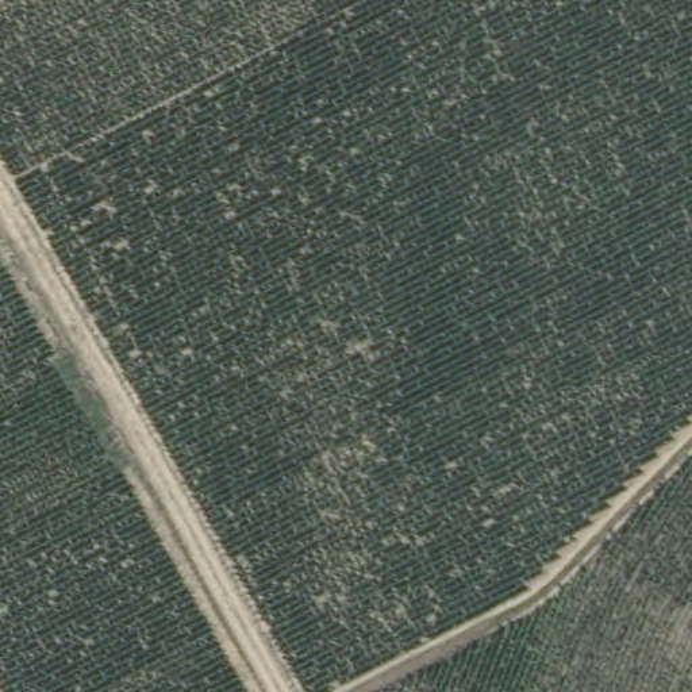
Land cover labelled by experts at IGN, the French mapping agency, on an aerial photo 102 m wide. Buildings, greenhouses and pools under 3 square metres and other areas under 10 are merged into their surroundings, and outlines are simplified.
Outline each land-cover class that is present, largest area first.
<instances>
[{"label":"vineyard","instance_id":"1","mask_svg":"<svg viewBox=\"0 0 692 692\"><path fill-rule=\"evenodd\" d=\"M14 173L16 187L32 208L38 224L49 230L54 254L73 278L84 305L95 314V322L105 335L124 381H130L138 392L141 405L151 419L154 430L159 433L162 446L173 457L184 487L192 492L195 503L200 505L211 530L216 533L222 549L232 560L235 578L246 587L260 616L270 624V635L278 643L287 665L303 684V692H330L332 684L357 678L373 670L376 665L419 646L424 638H435L495 608L497 603L524 592V587L543 573L549 562L560 557V549L573 541L578 530L589 527L592 516L606 511L608 503L627 487V481H633L641 473V468L651 462L657 451L676 435V430L687 427L692 419V0H0V173ZM135 451L124 430L114 427L108 403L103 392L95 387L92 373L78 365V354L73 349L49 346L14 278L0 270V692H246L235 668L224 657L211 624L197 608L184 578L178 576L170 554L165 551L159 535L154 533L141 500L124 478L127 460ZM376 692H692V457L684 460L673 478L660 481L654 487L651 500L633 508L630 519L611 538L603 541L597 557L587 562L578 570V576L560 589L557 597L546 600L530 616L503 624L492 635L473 638L454 654L441 657L419 670H411Z\"/></svg>","mask_w":692,"mask_h":692},{"label":"pervious surface","instance_id":"2","mask_svg":"<svg viewBox=\"0 0 692 692\"><path fill-rule=\"evenodd\" d=\"M0 270L14 278L49 346L73 349L78 354V365L92 373L95 387L103 392L108 403L114 427L124 430L135 451L127 460L124 478L141 500L154 533L159 535L165 551L170 554L178 576L184 578L197 608L211 624L224 657L235 668L246 692H303V684L287 665L278 643L270 635V624L260 616L246 587L235 578L232 560L222 549L216 533L211 530L200 505L195 503L192 492L184 487L173 457L162 446L159 433L154 430L151 419L141 405L138 392L130 381H124L105 335L95 322V314L84 305L73 278L54 254L49 230L38 224L32 208L16 187L14 173H0ZM692 457V419L687 427L676 430V435L657 451L651 462L641 468V473L633 481H627V487L608 503L606 511L592 516L589 527L578 530L573 541L560 549V557L549 562L543 573L524 587V592L497 603L495 608L435 638H424L419 646L376 665L373 670L357 678L332 684L330 692H376L411 670H419L441 657L454 654L473 638L492 635L503 624L530 616L546 600L557 597L560 589L578 576V570L587 562L597 557L603 541L611 538L630 519L633 508L651 500L654 487L660 481L673 478L684 460Z\"/></svg>","mask_w":692,"mask_h":692}]
</instances>
